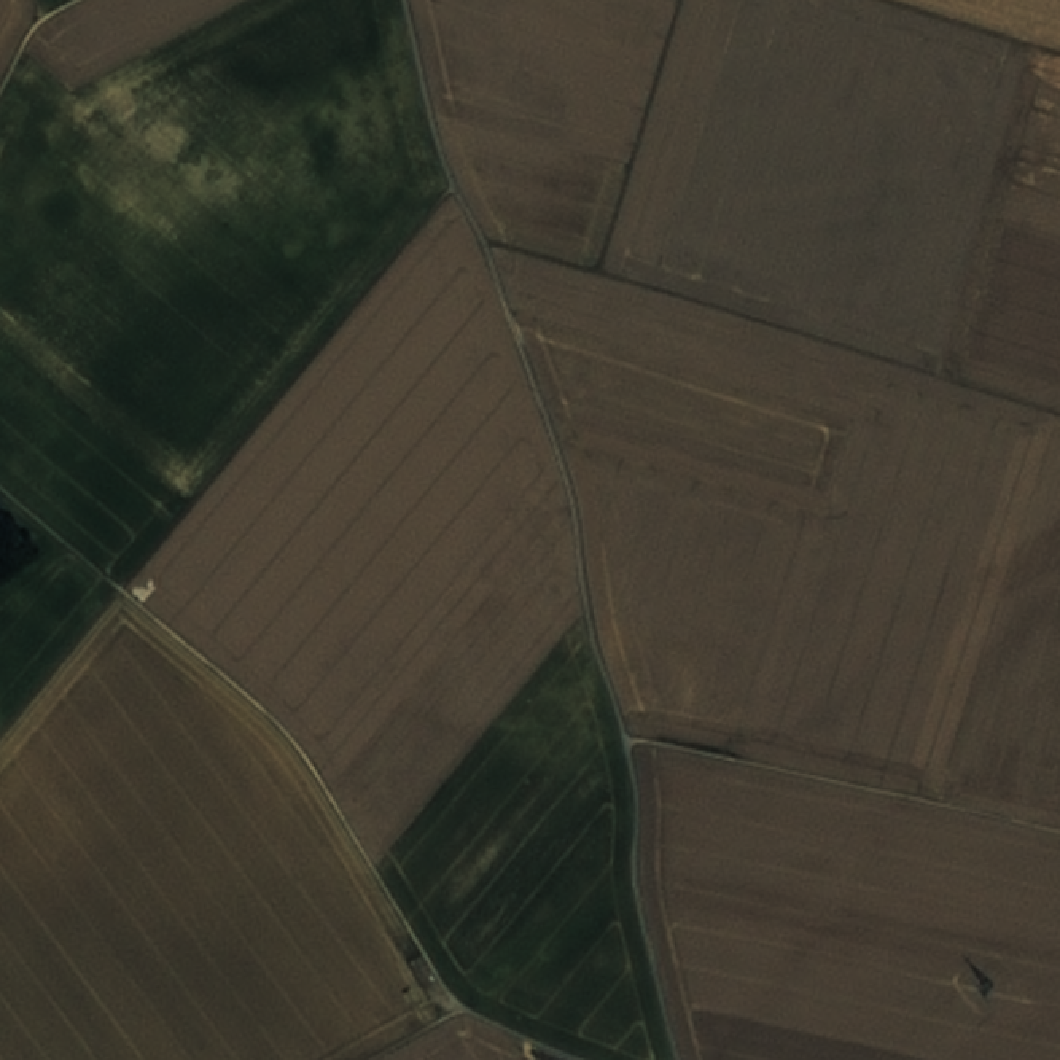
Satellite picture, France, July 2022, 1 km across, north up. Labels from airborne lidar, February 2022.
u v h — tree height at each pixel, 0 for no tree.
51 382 0
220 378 0
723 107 0
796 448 0
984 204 0
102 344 0
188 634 0
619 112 0
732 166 0
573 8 0
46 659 0
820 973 0
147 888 0
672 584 0
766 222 0
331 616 0
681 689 0
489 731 0
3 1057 0
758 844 0
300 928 0
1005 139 0
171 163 0
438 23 0
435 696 0
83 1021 0
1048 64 0
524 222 0
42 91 0
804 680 0
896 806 0
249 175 0
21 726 0
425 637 0
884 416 0
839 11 0
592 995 0
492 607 0
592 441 0
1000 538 0
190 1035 0
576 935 0
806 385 0
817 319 0
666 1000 0
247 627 0
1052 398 0
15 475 0
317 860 0
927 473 0
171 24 0
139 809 0
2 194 0
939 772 0
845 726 0
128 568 0
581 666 0
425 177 0
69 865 0
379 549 0
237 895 0
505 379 0
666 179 0
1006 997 0
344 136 0
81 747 0
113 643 0
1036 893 0
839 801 0
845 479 0
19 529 18
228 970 0
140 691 0
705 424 0
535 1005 0
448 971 0
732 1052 0
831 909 0
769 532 0
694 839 0
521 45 0
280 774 0
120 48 0
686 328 0
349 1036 0
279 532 0
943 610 0
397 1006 0
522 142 0
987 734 0
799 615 0
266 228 0
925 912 0
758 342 0
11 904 0
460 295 0
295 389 0
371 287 0
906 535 0
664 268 0
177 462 0
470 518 0
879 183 0
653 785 0
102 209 0
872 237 0
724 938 0
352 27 0
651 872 0
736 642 0
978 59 0
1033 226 0
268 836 0
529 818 0
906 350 0
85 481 0
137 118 0
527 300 0
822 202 0
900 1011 0
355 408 0
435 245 0
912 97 0
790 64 0
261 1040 0
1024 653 0
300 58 0
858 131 0
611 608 0
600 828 0
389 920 0
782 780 0
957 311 0
